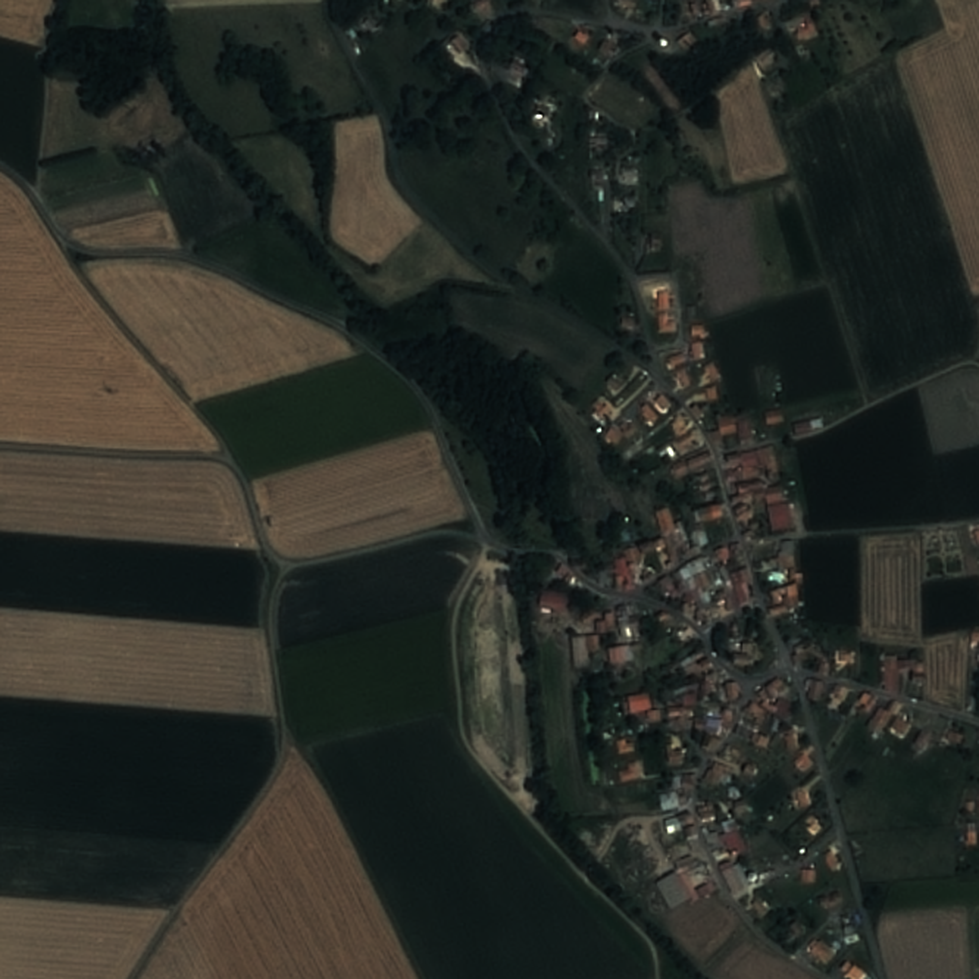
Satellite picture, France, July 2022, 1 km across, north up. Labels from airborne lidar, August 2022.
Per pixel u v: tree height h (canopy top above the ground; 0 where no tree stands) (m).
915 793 0
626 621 0
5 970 0
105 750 0
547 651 0
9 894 0
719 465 0
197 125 21
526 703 6
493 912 0
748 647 0
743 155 0
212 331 0
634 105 0
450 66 7
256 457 0
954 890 0
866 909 12
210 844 0
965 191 0
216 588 0
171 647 0
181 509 0
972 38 0
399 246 0
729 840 0
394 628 0
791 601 0
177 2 0
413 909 0
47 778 0
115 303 0
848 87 0
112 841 0
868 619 0
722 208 0
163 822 0
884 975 0
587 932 0
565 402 8
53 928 0
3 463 0
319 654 0
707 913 0
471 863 0
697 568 0
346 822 0
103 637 0
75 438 0
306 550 0
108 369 0
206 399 0
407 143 17
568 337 0
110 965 0
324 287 0
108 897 0
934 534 0
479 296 8
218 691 0
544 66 7
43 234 0
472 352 20
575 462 0
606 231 0
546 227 12
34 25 0
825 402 0
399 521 0
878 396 0
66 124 0
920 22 0
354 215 0
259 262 0
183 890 0
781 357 0
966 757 11
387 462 0
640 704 0
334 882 0
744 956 0
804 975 0
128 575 0
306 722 0
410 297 0
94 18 0
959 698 0
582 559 6
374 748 0
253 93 0
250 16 0
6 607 0
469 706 0
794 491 0
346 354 0
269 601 0
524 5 12
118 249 0
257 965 0
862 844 0
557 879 0
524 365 17
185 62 0
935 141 0
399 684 0
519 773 0
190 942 0
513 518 22
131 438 0
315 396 0
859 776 11
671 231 0
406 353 19
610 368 12
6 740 0
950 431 0
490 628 0
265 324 0
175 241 0
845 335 0
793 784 0
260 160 0
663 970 0
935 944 0
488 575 0
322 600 0
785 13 6
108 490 0
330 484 0
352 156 0
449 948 0
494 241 0
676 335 0
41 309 0
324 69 0
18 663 0
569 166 0
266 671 0
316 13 0
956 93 0
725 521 0
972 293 0
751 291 0
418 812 0
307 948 0
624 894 14
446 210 0
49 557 0
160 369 0
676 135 7
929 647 0
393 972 0
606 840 0
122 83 6
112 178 0
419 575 0
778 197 0
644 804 0
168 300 0
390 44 0
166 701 0
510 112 11
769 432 0
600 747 20
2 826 0
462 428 15
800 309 0
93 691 0
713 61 12
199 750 0
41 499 0
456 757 0
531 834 0
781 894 0
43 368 0
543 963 0
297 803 0
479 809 0
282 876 0
